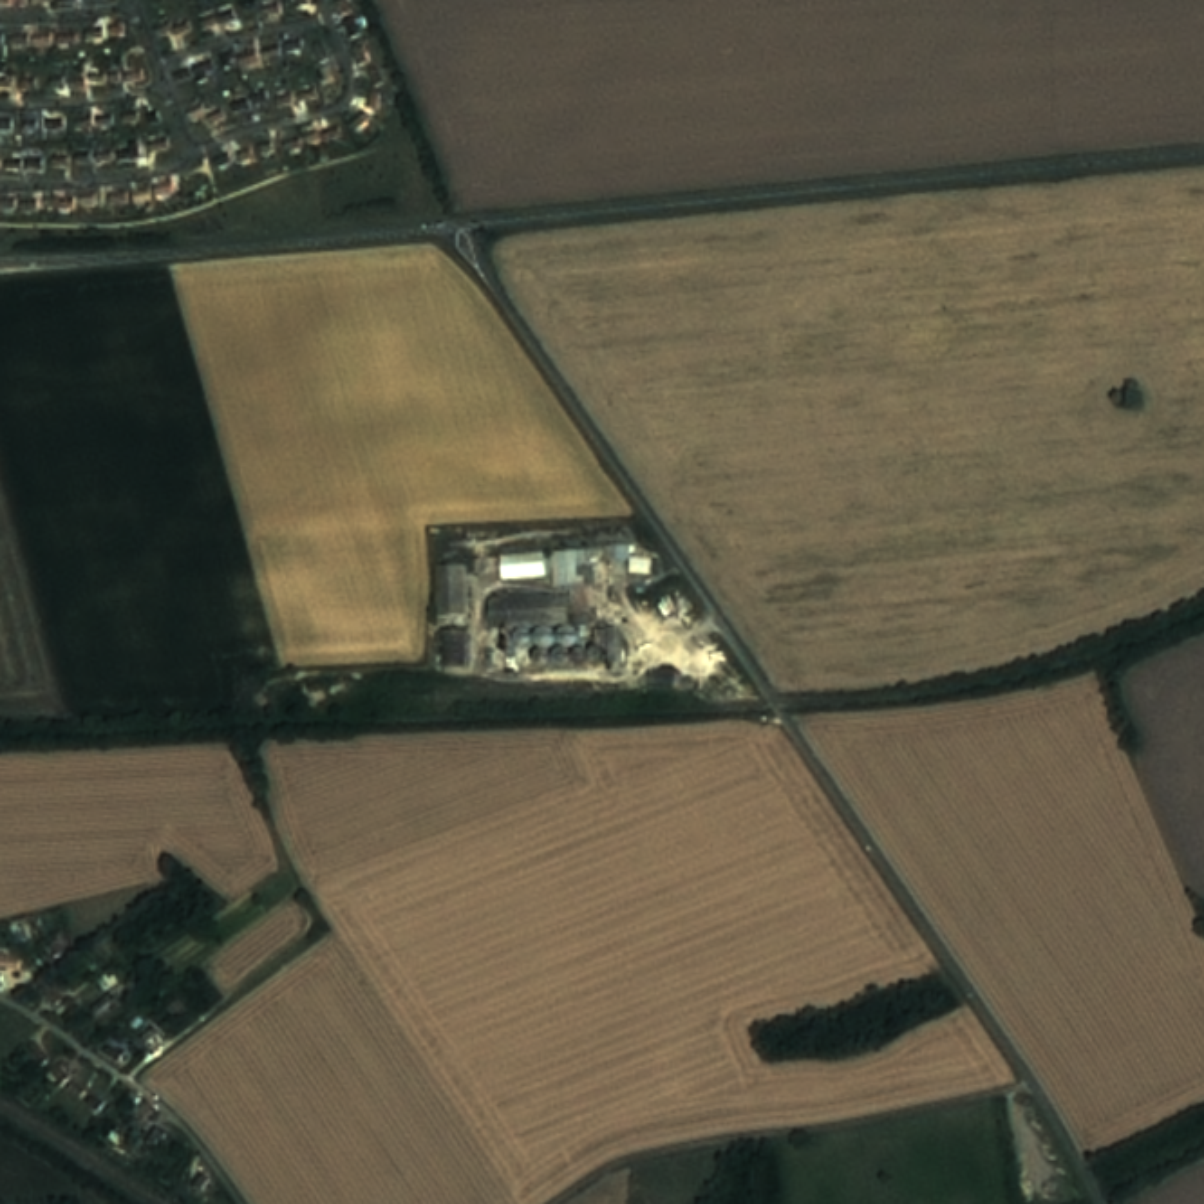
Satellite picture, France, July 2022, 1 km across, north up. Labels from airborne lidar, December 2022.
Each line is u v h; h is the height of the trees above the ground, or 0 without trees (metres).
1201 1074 0
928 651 0
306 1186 0
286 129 0
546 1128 0
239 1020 0
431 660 0
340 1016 0
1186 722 0
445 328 0
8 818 0
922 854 0
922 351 0
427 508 0
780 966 0
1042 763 0
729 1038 0
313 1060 0
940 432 0
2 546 0
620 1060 0
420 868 0
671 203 0
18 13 0
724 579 0
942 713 0
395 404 0
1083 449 0
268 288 0
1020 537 0
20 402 0
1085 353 0
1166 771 0
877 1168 0
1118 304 0
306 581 0
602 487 0
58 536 0
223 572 0
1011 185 0
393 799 0
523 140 0
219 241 0
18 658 0
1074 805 0
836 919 0
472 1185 0
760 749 0
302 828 0
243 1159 0
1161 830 0
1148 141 0
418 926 0
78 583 0
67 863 0
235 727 8
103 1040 8
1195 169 0
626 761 0
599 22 0
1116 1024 0
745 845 0
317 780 0
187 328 0
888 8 0
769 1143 10
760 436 0
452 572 0
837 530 0
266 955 0
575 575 0
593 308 0
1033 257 0
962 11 0
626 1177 0
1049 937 0
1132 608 0
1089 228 0
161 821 0
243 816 0
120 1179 0
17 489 0
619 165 0
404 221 0
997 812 0
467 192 0
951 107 0
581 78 0
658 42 0
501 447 0
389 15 0
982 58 0
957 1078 0
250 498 0
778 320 0
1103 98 0
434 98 0
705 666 0
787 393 0
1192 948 0
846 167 0
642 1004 0
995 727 0
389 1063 0
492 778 0
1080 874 0
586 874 0
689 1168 0
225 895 0
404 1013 0
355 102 0
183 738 7
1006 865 0
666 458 0
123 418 0
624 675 0
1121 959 0
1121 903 0
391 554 0
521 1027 0
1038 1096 0
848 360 0
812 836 0
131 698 0
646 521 0
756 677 0
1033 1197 0
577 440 0
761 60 0
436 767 0
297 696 0
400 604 0
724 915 0
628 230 0
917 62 0
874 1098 0
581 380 0
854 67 0
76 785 0
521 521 0
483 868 0
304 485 0
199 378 0
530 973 0
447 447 0
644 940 0
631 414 0
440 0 0
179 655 0
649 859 0
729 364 0
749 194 0
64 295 0
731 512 0
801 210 0
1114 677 14
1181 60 0
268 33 0
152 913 8
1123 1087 0
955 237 0
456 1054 0
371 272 0
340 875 0
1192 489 0
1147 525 0
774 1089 0
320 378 0
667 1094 0
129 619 0
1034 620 0
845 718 0
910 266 0
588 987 0
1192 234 0
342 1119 0
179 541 0
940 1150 0
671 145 0
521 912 0
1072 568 0
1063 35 0
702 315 0
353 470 0
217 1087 0
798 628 0
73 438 0
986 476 0
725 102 0
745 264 0
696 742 0
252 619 0
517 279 0
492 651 0
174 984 12
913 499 0
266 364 0
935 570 0
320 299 0
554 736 0
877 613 0
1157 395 0
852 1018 18
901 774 0
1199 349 0
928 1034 0
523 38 0
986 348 0
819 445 0
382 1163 0
